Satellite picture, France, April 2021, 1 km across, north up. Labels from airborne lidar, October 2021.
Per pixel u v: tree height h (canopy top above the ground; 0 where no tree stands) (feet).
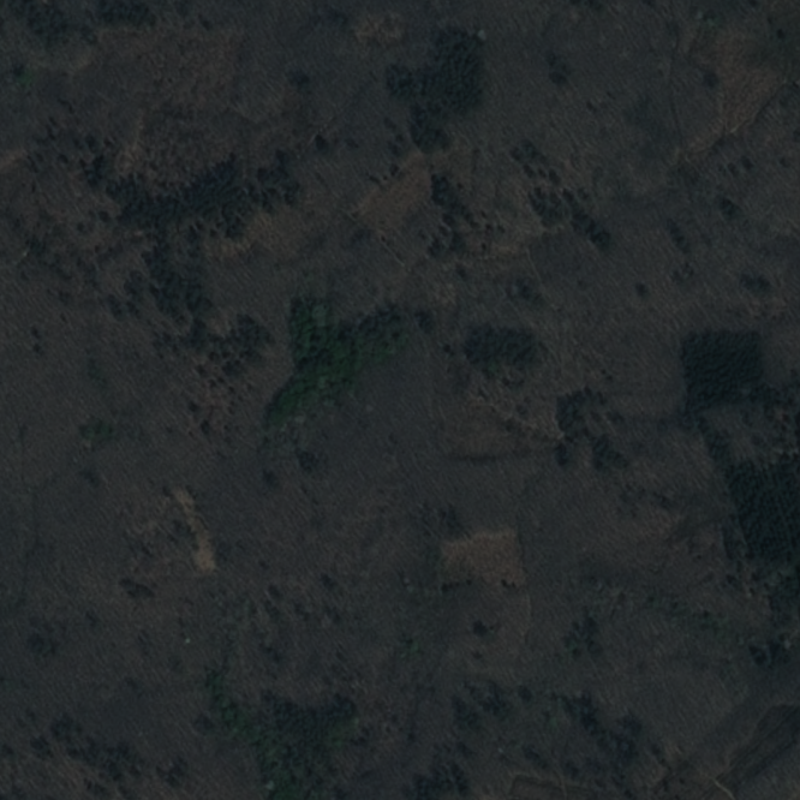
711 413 65
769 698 38
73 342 53
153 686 64
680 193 53
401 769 55
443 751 50
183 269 51
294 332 69
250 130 26
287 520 47
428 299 24
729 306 36
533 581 47
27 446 54
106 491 47
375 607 61
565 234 41
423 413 51
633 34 67
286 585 71
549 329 62
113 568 62
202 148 25
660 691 60
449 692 50
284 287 53
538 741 58
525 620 44
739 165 56
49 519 53
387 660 37
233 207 75
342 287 65
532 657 46
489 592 46
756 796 59
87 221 34
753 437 61
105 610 51
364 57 60
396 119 54
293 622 66
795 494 48
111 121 23
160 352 64
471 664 50
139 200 72
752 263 55
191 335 45
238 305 56
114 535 54
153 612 49
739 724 51
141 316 94
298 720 103
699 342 65
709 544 23
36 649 68
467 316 55
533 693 54
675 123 71
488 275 21
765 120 56
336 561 51
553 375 50
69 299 32
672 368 50
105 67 35
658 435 58
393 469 63
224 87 23
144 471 53
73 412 54
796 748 63
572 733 49
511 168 60
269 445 52
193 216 59
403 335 59
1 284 52
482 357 73
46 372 46
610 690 52
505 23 59
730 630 51
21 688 62
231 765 53
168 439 59
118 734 65
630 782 61
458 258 73
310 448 52
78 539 51
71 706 60
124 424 43
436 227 43
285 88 21
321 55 65
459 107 90
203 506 52
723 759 36
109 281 65
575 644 67
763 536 53
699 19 62
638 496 53
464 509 52
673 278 60
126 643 51
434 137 83
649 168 58
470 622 34
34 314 43
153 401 43
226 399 37
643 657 49
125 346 34
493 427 22
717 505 47
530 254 24
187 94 25
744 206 68
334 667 54
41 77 47
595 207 62
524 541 55
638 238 67
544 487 60
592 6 96
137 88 31
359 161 60
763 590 26
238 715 67
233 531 57
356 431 58
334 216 30
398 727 58
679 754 23
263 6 64
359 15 61
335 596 57
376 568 53
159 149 24
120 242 20
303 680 54
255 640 51
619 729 56
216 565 49
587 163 59
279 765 58
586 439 49
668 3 69
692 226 58
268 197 22
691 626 63
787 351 40
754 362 62
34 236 18
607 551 32
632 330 41
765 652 31
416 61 64
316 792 60
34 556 45
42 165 53
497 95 63
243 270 52
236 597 51
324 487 74
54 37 60
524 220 55
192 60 21
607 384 27
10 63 63
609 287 52
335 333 60
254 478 52
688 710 62
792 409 58
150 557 64
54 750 47
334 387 59
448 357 47
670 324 42
